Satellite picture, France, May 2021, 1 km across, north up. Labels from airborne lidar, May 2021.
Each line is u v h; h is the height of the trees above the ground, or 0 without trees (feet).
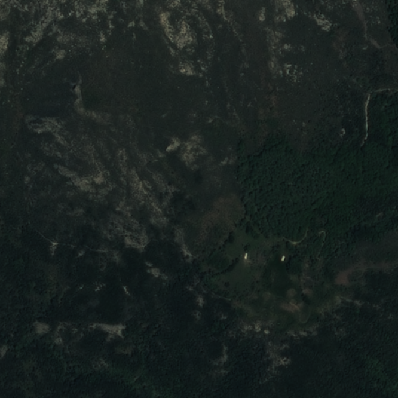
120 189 0
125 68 0
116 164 0
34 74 0
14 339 19
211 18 0
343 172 34
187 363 26
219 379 26
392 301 25
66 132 0
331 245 31
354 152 69
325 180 98
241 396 22
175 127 0
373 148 74
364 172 81
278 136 27
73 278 31
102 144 0
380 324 43
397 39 50
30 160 0
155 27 0
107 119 0
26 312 35
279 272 0
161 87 0
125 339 19
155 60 0
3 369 34
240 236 0
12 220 19
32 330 59
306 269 0
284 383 24
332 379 36
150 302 20
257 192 46
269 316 0
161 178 0
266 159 84
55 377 31
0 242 23
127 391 50
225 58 0
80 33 0
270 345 0
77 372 43
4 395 25
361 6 0
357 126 33
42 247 29
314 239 26
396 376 42
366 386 42
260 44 0
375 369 57
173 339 27
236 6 0
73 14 0
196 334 27
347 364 19
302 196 98
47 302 28
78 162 0
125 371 24
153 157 0
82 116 0
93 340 28
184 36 0
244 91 0
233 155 0
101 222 0
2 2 0
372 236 29
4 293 21
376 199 41
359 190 58
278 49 0
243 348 23
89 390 39
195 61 0
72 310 31
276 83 0
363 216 36
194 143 0
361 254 0
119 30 0
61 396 30
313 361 25
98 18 0
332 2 0
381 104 41
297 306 0
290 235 71
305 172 110
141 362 37
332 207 32
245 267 0
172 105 0
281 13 0
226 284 27
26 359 27
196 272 20
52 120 0
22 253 26
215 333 30
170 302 20
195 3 0
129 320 31
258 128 19
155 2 0
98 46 0
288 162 91
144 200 0
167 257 20
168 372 41
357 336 22
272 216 66
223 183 0
